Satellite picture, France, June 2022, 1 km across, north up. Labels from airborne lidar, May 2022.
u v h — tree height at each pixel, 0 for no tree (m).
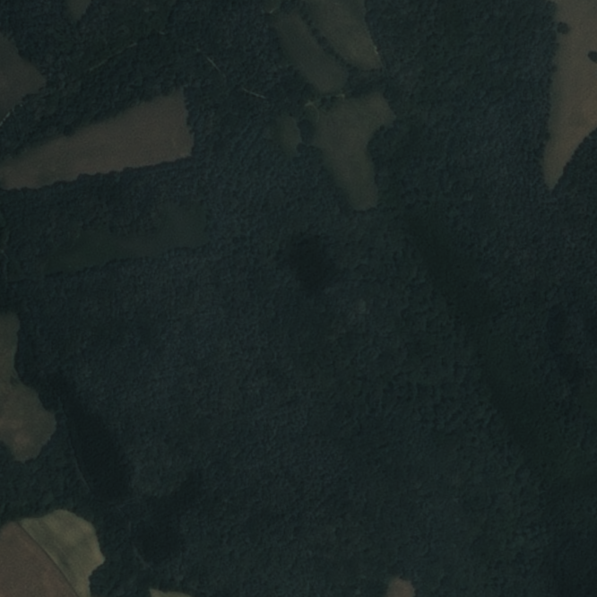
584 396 0
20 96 0
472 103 11
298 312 26
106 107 21
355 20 0
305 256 16
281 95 16
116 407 22
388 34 14
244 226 24
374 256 23
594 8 0
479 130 15
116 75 25
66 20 17
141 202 13
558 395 9
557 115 0
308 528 16
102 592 20
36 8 14
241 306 19
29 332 21
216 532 24
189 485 15
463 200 9
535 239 12
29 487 17
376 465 20
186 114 0
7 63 0
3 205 20
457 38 14
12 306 19
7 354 0
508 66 16
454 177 25
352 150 0
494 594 30
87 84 16
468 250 13
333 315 23
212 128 15
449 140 9
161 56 15
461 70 24
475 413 19
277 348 19
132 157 0
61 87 13
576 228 16
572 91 0
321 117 0
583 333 17
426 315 20
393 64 13
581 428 7
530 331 9
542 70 19
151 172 11
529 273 12
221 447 22
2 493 22
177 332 12
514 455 25
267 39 15
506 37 14
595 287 16
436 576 26
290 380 9
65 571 0
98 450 14
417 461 26
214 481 19
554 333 26
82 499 21
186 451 26
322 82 0
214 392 19
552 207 16
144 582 21
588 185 16
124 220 15
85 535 0
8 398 0
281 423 19
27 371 21
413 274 29
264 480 19
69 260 0
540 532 10
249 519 21
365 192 0
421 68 17
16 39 10
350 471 19
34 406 0
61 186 17
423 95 12
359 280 16
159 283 15
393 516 23
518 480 12
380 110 0
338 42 0
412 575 18
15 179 0
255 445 22
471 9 11
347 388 28
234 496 18
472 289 7
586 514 6
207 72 25
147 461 16
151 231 9
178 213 0
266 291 23
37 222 17
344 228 26
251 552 19
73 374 24
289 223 25
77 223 16
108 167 0
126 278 20
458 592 23
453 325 29
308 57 0
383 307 17
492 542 30
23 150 14
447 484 20
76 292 20
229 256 18
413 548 20
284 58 15
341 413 24
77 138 0
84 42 14
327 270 14
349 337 29
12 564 0
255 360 14
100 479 11
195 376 18
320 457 19
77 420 17
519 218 15
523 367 6
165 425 19
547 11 19
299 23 0
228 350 18
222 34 15
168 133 0
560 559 20
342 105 0
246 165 20
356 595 24
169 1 20
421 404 11
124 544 16
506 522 29
